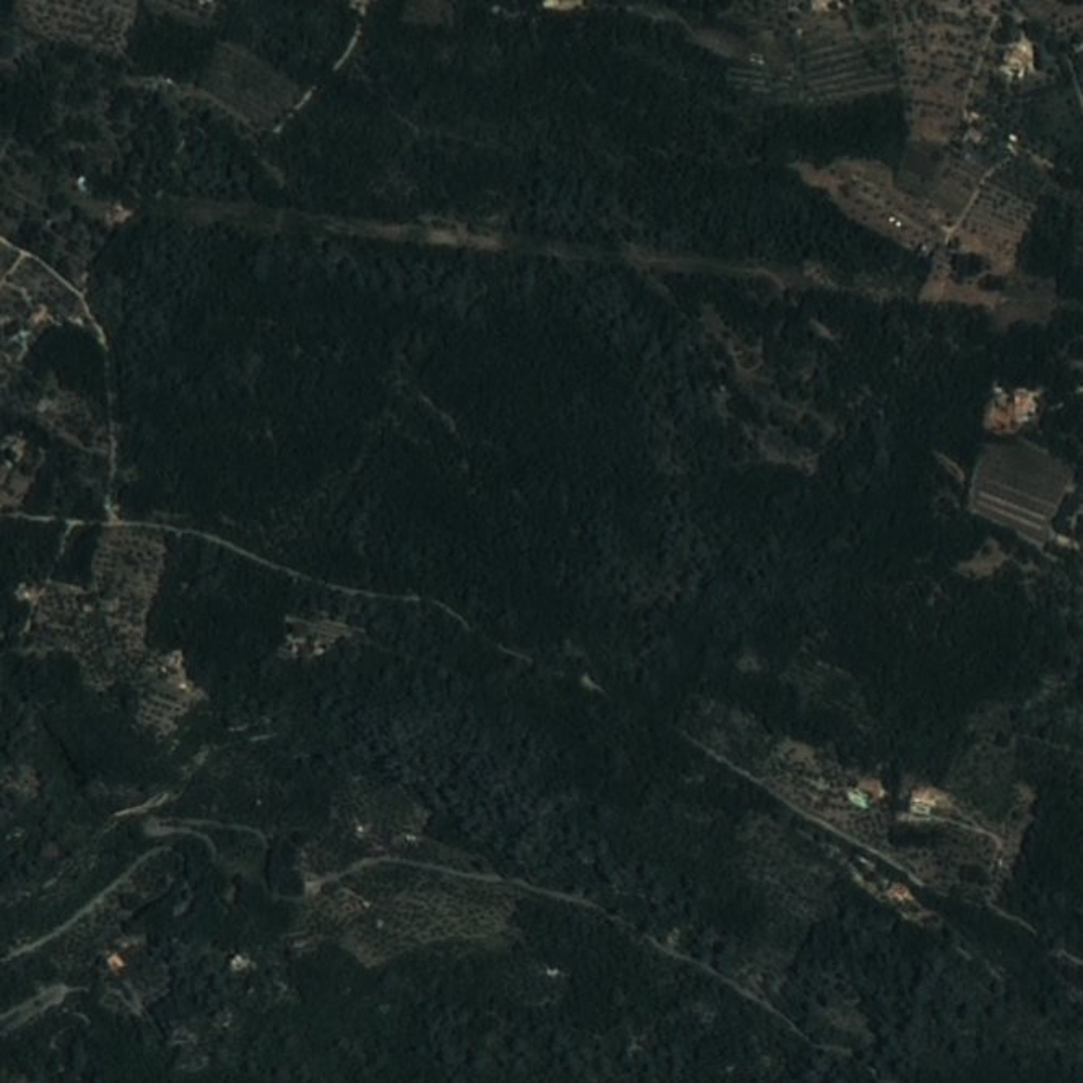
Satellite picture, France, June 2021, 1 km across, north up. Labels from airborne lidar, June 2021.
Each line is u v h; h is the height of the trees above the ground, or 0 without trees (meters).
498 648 11
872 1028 13
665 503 15
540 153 14
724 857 9
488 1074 7
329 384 12
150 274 16
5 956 17
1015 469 0
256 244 8
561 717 8
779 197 6
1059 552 8
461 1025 24
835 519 12
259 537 10
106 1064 13
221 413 10
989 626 15
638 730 12
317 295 10
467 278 17
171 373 19
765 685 11
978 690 12
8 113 16
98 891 8
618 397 9
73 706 11
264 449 11
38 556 7
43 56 9
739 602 21
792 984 9
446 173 9
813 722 13
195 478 11
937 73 6
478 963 13
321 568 12
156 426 12
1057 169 10
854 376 11
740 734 6
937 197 0
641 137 13
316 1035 8
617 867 10
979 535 10
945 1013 12
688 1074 12
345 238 12
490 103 8
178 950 14
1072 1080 10
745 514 12
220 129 14
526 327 12
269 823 6
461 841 13
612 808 9
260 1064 12
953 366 12
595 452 10
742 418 11
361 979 12
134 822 10
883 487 14
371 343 12
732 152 10
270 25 5
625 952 15
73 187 6
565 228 12
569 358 11
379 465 8
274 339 11
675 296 8
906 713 11
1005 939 8
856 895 8
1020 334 10
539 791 7
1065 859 19
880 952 14
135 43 9
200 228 7
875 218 0
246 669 6
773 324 13
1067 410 9
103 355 8
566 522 11
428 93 8
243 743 8
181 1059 18
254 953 8
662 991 9
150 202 6
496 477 13
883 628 9
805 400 11
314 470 12
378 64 9
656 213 8
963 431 11
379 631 13
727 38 0
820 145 6
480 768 22
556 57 11
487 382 13
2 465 10
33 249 8
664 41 9
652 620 19
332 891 11
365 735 21
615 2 10
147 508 12
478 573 12
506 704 12
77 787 6
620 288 18
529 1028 6
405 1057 18
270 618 13
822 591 12
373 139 8
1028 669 9
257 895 11
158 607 14
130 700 12
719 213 11
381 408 10
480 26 8
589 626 7
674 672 18
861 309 11
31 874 21
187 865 12
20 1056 12
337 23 7
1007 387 9
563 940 11
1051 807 12
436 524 14
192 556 10
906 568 10
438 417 7
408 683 18
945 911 15
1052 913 8
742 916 14
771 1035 7
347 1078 8
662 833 6
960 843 6
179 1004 15
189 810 7
